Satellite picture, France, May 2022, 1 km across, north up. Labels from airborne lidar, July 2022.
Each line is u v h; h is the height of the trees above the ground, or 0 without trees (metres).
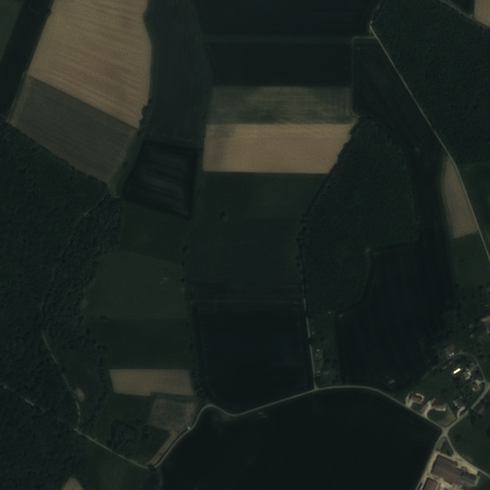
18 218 26
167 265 0
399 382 0
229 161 0
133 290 0
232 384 0
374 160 19
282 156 0
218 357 0
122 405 0
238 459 0
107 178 0
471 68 15
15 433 28
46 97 0
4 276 25
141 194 0
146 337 0
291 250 0
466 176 0
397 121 0
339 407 0
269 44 0
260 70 0
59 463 23
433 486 0
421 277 0
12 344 26
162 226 0
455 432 0
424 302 0
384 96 0
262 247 0
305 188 0
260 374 0
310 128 0
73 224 20
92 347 0
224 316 0
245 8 0
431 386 0
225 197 0
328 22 0
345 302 16
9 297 27
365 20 0
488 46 15
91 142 0
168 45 0
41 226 27
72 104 0
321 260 19
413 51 15
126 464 0
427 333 0
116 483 0
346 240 19
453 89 16
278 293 0
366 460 0
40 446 27
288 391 0
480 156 14
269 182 0
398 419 0
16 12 0
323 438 0
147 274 0
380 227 18
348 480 0
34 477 28
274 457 0
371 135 19
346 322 0
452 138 16
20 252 28
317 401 0
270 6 0
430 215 0
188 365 0
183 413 0
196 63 0
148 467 0
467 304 0
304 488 0
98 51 0
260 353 0
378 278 0
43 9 0
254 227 0
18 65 0
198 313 0
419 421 0
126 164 11
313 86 0
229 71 0
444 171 0
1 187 22
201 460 0
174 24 0
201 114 0
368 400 0
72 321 16
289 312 0
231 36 0
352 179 19
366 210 17
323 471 0
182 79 0
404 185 17
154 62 0
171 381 0
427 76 16
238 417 0
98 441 0
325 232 18
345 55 0
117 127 0
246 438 0
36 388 27
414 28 14
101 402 0
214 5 0
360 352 0
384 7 12
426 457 0
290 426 0
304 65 0
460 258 0
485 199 0
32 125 0
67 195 23
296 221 0
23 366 24
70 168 18
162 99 0
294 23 0
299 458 0
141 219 0
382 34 13
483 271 0
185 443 0
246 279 0
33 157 22
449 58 14
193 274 0
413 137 0
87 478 13
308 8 0
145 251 0
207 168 0
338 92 0
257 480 0
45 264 26
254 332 0
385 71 0
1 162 22
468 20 10
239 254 0
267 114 0
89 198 24
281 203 0
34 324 23
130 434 27
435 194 0
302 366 0
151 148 0
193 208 0
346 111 0
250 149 0
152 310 0
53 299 0
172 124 0
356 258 15
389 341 0
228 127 0
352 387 0
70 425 17
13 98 0
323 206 18
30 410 24
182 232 0
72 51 0
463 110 16
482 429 0
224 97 0
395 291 0
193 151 0
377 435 0
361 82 0
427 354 0
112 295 0
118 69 0
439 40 15
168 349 0
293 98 0
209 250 0
